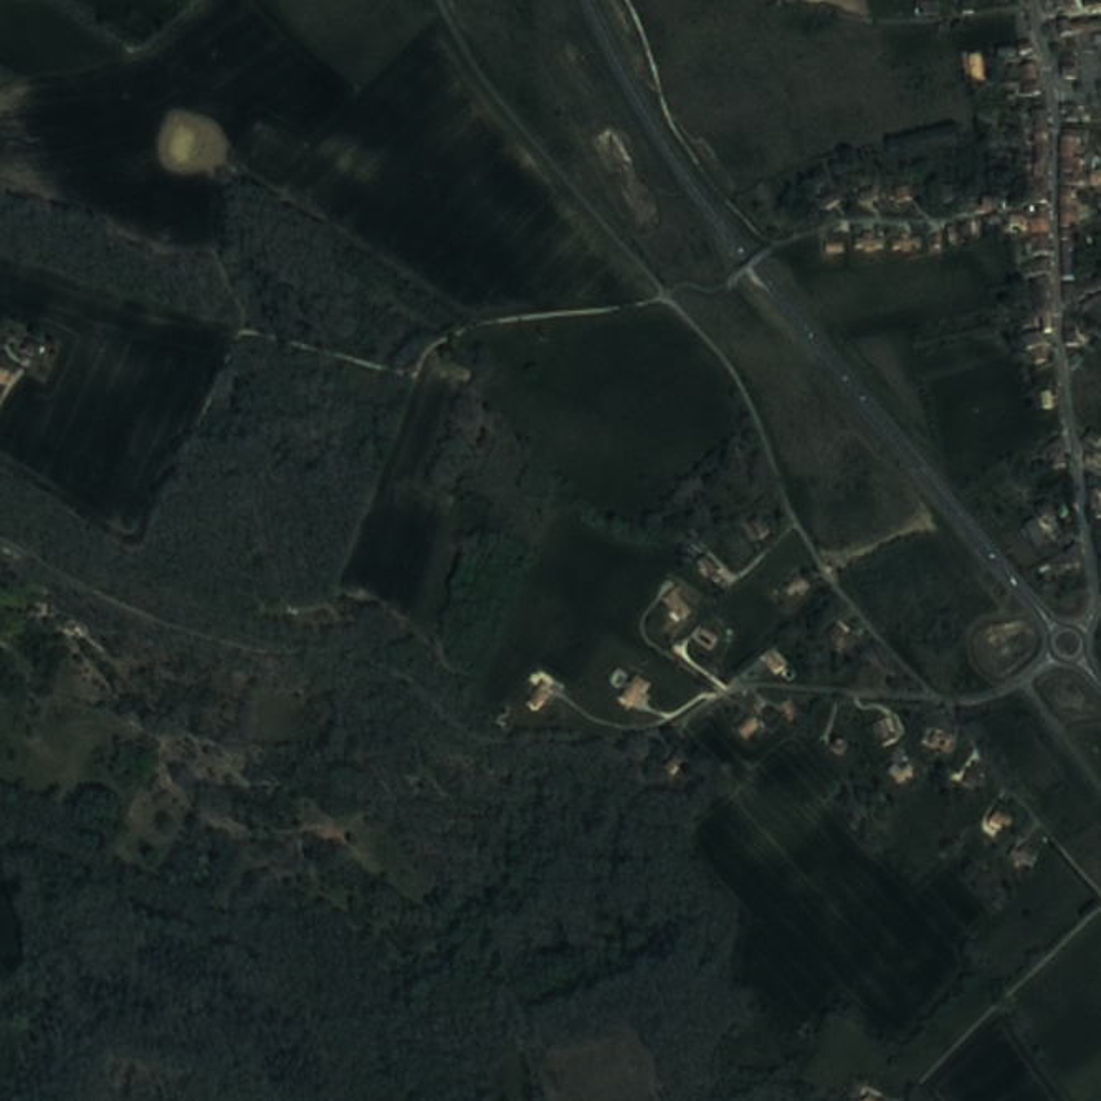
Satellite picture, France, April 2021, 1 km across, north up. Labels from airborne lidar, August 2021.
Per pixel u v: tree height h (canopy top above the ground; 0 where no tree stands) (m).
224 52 0
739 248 0
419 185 0
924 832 0
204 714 15
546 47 0
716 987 18
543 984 24
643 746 16
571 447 0
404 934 8
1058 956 0
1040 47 0
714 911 21
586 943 24
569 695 0
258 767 7
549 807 23
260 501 24
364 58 0
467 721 11
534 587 0
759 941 0
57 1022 14
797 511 0
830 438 0
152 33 10
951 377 0
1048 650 0
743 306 0
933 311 0
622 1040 0
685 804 22
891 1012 0
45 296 0
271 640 14
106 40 7
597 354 0
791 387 0
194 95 0
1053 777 0
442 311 7
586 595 0
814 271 0
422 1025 18
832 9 8
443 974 19
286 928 19
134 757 14
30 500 19
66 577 12
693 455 0
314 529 23
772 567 0
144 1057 11
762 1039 0
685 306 0
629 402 0
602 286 0
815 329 0
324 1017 18
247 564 21
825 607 8
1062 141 0
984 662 0
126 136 0
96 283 21
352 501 23
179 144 0
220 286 19
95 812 24
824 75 0
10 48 0
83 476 0
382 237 0
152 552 19
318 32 0
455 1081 26
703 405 0
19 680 7
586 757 18
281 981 24
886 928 0
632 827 25
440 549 0
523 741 19
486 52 0
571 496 5
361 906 11
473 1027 22
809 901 0
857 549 0
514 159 0
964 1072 0
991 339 0
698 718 0
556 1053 18
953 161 8
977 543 0
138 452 0
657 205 0
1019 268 9
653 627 7
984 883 17
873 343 0
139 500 0
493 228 0
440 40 0
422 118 0
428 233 0
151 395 0
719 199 0
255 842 8
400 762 13
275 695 8
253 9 0
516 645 0
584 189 0
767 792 0
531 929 22
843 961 0
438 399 0
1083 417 0
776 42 0
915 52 0
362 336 7
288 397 7
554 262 0
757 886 0
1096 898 10
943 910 0
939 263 0
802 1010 0
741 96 0
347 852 19
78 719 0
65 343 0
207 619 15
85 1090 17
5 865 21
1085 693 0
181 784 24
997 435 0
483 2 0
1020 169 8
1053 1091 0
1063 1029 0
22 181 0
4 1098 24
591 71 0
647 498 0
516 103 0
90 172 0
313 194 0
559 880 26
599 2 0
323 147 0
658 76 0
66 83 0
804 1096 11
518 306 0
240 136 0
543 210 0
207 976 23
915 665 0
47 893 10
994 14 0
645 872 24
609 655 0
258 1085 18
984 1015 0
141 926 25
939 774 9
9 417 0
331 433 10
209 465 21
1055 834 0
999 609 0
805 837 0
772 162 0
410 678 21
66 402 0
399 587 0
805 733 12
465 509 0
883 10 0
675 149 0
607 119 0
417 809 17
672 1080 14
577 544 0
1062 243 0
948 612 9
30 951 18
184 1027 13
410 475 0
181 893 22
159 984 18
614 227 0
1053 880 0
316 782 16
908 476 0
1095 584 0
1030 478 13
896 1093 0
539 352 0
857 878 0
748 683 0
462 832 13
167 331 0
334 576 20
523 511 0
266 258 9
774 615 0
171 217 0
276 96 0
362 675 23
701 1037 23
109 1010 13
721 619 0
